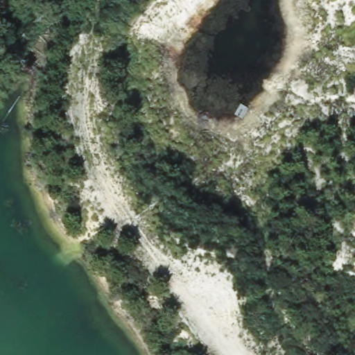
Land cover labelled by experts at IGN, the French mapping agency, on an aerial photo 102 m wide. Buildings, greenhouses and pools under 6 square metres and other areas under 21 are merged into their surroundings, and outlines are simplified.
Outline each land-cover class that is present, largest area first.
<instances>
[{"label":"brushwood","instance_id":"1","mask_svg":"<svg viewBox=\"0 0 355 355\"><path fill-rule=\"evenodd\" d=\"M96 3L85 19L71 21L65 17L61 18L58 24L51 26L55 28V36L46 43V65L39 67L37 71L46 75L47 79L39 82V90L33 104H42L43 110L35 112V128L29 125L28 129L24 130V137L32 141L31 159L35 162L37 171L47 176V191L50 196L67 202L68 208L62 223L68 234L73 237L86 232V222L87 212L80 208V198L87 179L83 158L76 154L75 150L80 143V137L75 135L73 125L69 122L67 112L71 105V96L65 92V86L68 83L71 64L69 53L73 44L78 42L80 33L94 32L97 36L103 37V54L98 58L97 80L105 107L98 114V118L104 123H115L119 130V143H111L110 148H122V155H119L116 162L119 173L128 179L130 186L133 187V193L147 205L150 204L151 198L157 197L164 207L162 212L154 214L161 220L157 227L158 236V240L162 245H168L172 257L176 259L182 258L196 248L216 251V261L219 265L226 266L227 272L233 275V290L236 291L237 298L245 297L247 301L240 306L243 327L252 334L255 343L279 340L286 355H326L319 344L322 340L315 333L313 323H304L298 329L295 320L288 316L287 305L290 304V300H286L288 293L284 287L291 283V280L286 276L268 275L270 266H266L265 241L259 227L276 215L280 216V219L291 218L298 207H304L309 214L322 219L324 223L338 222L345 214H355V115L352 116L351 125L347 130V140H343L337 115H329L322 121L308 119L295 136V147L283 150L282 161L268 172V182L259 183L250 190H245V196L241 200L237 196L230 198L229 201L223 200V197L216 193L214 180L196 186L193 183L196 162L180 151L166 147L165 155L136 153L135 143L143 139V130L144 122H140L139 119L140 92L137 89H129L126 82L130 61L129 36L133 19L146 12L151 0H94ZM114 237L105 236V233L97 229L92 240L80 243L90 273L107 279L111 293L122 300L123 308L128 309L133 320L141 324L140 330L144 341L157 351L155 355H190L187 351L191 345L173 343V338L179 333L173 323L179 316L176 308L162 304L166 298L173 295L171 283L159 282L158 277L154 276V270H148L143 262L135 258V250L140 244V234L130 240L119 236L118 245L114 248Z\"/></svg>","mask_w":355,"mask_h":355},{"label":"herbaceous vegetation","instance_id":"2","mask_svg":"<svg viewBox=\"0 0 355 355\"><path fill-rule=\"evenodd\" d=\"M308 14L302 19L305 31L315 33L318 24H322L323 31L318 50L302 54L298 64L300 67H305L309 62L318 65V73L313 76L311 73H301L302 79L308 85V92L319 86L322 87L323 93L336 94L338 86L327 87V83L334 79H345V71L337 72L336 65L326 64L324 58L334 60V50L338 47H355V21L351 25H345L344 11L337 10L336 26H331L324 8L315 10L312 6L306 7ZM103 37L97 36L94 32L80 33L78 42L73 44L69 53L71 64L68 83L65 86V92L71 96V105L67 112L69 122L73 125L75 135L80 137V143L75 150L76 154L83 158L87 179L97 182L96 166L105 164V169L111 173L112 182L121 184L123 197L128 200L130 208L140 215L141 219L150 223L147 230L148 239L153 240L158 236L157 227L161 220L154 214L162 212L164 207L157 197L151 198L150 204L147 205L133 193V187L130 186L128 179L119 173L116 162L119 155H122V148H110L111 143H119V130L115 123H104L98 118V114L105 107L97 80L98 58L103 54ZM130 61L126 82L129 89H137L140 92L139 119L140 122H144L143 130L150 133L154 143L165 144L166 147L180 151L196 162L193 183L196 186L214 180L216 193L223 197V200L229 201L230 198L237 196L241 200L245 196V190H250L259 183L268 182V172L282 161L283 150L295 147V136L308 119L322 121L329 115L323 114L320 110L326 100L315 104L305 100V103L288 104V111L282 112L275 121L269 125L261 123L257 126L255 130H265V135L251 137L248 146L251 148V154L247 155L241 141H232L226 136L216 135L207 129L184 123L179 107L171 110L173 89L169 86V79L162 76V83H159L153 78V72L168 58L175 64L179 61L182 51L154 39L129 36ZM46 43L43 37L36 40L32 50L36 55V61L26 73L24 80L25 86L22 89L25 90V97L33 104L39 90V82L47 79L46 75L37 71L39 67L46 65ZM80 208L87 212L86 222L94 220L101 226L108 215L105 214L97 197L93 201L80 198ZM265 241L266 266H270L268 275L286 276L291 280V283L284 287L288 293L286 300H290V304L287 305L288 316L295 320L298 329L304 323H313L315 333L322 340L319 344L326 355H355V214H345L338 222L324 223L322 219L309 214L304 207H298L291 218L280 219V216L276 215L259 227ZM179 333L173 338V343L191 345L187 351L190 355H216L214 349L200 343V338L179 316L173 323ZM240 341L244 348L255 355H286L279 340L255 343L252 334L243 327L239 333Z\"/></svg>","mask_w":355,"mask_h":355},{"label":"water","instance_id":"3","mask_svg":"<svg viewBox=\"0 0 355 355\"><path fill-rule=\"evenodd\" d=\"M215 6L209 8L197 31L186 40L182 51L179 61L175 64L177 82L186 90L191 110L197 115H207L215 121L234 123L239 105L247 107L263 92V82L273 75L277 65L282 61L286 50L287 26L280 10L282 0H214ZM25 86L24 80H15V89L4 98V105L0 108V355H155L157 351L144 341L140 330L141 324L133 320L128 309L123 308L122 300L111 293L107 279L90 273L80 243L73 241V237L68 234L62 223L68 208L67 202L50 196L47 191V176L37 171L35 162L31 159L32 141L24 137V130L28 129L29 125L35 128V112L43 110L42 104H33L25 97V90L22 89Z\"/></svg>","mask_w":355,"mask_h":355},{"label":"bare soil","instance_id":"4","mask_svg":"<svg viewBox=\"0 0 355 355\"><path fill-rule=\"evenodd\" d=\"M215 6L214 0H151L146 12L133 19L129 36L154 39L182 51L186 40L197 31L209 8ZM312 6L315 10L324 8L331 26H336L337 10L344 11L345 25H351L355 21V0H282L280 10L287 26L286 50L282 61L277 65L273 75L263 82V92L247 107L239 105L234 123L215 121L207 115H197L191 110L186 90L177 82L175 64L168 58L153 72V78L159 83H162V76L169 79V86L173 89L171 110L179 107L184 123L207 129L216 135L226 136L232 141H241L247 155L251 154V148L248 146L251 137L265 135V130H255L257 126L261 123L269 125L275 121L282 112L288 111V104L305 103V100L315 104L326 100L320 110L323 114L329 115H337L343 140H347V130L351 125L352 116L355 115V47H338L334 50V60L324 58L326 64L336 65L337 72L345 71V79H334L327 83V87L338 86L336 94L323 93L322 87L319 86L308 92V85L302 79L301 73H311L313 76L318 73V65L309 62L305 67H300L298 64L302 54L318 50L323 31L322 24H318L315 33L305 31L302 19L308 14L306 7Z\"/></svg>","mask_w":355,"mask_h":355},{"label":"pervious surface","instance_id":"5","mask_svg":"<svg viewBox=\"0 0 355 355\"><path fill-rule=\"evenodd\" d=\"M136 153L165 155L166 147L165 144L154 143L150 133L143 130V139L135 143ZM97 182L87 179L80 198L93 201L97 197L105 214L108 215L101 226L94 220L86 222V232L73 237V241L80 243L92 240L97 229L105 233V236L114 237V248L118 245L119 236L130 240L140 234V244L135 250V258L143 262L148 270H154V276L158 277L159 282L171 283L173 295L166 298L162 304L176 308L179 316L200 338V343L214 349L216 355H255L244 348L240 341L239 333L243 327L240 306L247 301L245 297L237 298L236 291L233 290V275L227 272L226 266L219 265L216 261V251L196 248L182 258L176 259L172 257L168 245H162L158 240V236L153 240L148 239L147 230L150 223L141 219L140 215L130 208L128 200L123 197L121 184L112 182L111 173L105 169V164L96 166Z\"/></svg>","mask_w":355,"mask_h":355},{"label":"coniferous trees","instance_id":"6","mask_svg":"<svg viewBox=\"0 0 355 355\"><path fill-rule=\"evenodd\" d=\"M96 3L94 0H0V108L4 105V98L15 89V80H24L26 73L36 61V55L32 50L36 40L43 37L46 43L55 36V28L51 26L58 24L61 18L65 17L71 21L85 19Z\"/></svg>","mask_w":355,"mask_h":355}]
</instances>
